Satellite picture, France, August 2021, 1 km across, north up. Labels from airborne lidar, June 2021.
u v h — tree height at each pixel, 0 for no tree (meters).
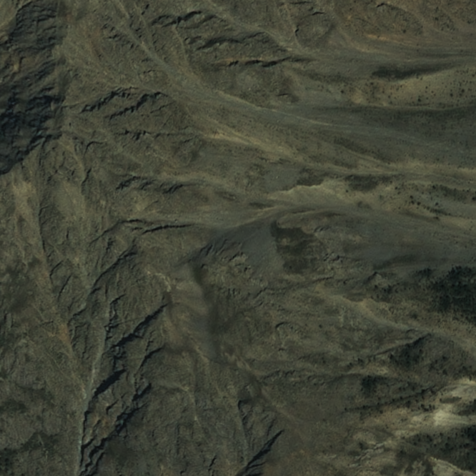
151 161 0
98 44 0
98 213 0
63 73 0
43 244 0
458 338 0
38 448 0
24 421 0
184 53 0
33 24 0
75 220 0
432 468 0
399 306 0
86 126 0
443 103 0
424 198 0
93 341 0
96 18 0
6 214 0
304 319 0
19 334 0
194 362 0
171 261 0
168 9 0
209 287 0
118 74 0
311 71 0
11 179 0
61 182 0
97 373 0
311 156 0
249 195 0
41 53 0
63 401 0
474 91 0
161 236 0
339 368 0
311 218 0
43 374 0
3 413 0
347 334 0
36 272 0
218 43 0
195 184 0
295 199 0
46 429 0
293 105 0
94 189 0
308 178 0
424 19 0
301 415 0
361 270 0
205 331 0
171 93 0
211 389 0
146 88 0
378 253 0
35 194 0
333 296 0
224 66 0
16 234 0
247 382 0
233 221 0
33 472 0
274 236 0
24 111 0
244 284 0
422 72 0
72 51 0
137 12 0
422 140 0
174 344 0
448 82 0
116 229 0
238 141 0
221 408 0
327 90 0
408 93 0
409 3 0
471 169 0
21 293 0
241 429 0
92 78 0
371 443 0
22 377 0
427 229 0
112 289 0
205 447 0
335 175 0
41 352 0
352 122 0
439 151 0
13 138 0
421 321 0
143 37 0
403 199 0
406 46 0
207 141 0
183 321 0
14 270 0
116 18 0
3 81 0
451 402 0
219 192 0
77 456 0
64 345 0
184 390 0
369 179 0
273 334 0
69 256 0
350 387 0
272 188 0
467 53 0
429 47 0
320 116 0
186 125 0
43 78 0
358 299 0
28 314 0
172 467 0
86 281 0
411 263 0
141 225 0
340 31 0
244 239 0
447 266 0
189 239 0
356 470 0
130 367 0
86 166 0
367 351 0
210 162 0
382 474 0
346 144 0
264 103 0
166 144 0
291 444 0
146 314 0
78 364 0
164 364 0
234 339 0
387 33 0
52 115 0
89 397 0
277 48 0
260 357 0
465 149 0
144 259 0
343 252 0
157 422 0
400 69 0
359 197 0
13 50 0
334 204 0
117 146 0
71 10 0
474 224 0
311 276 0
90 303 0
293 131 0
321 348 0
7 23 0
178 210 0
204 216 0
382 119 0
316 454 0
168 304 0
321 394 0
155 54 0
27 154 0
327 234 0
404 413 0
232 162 0
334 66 0
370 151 0
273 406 0
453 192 0
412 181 0
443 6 0
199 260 0
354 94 0
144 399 0
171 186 0
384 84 0
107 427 0
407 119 0
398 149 0
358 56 0
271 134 0
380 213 0
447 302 6
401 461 0
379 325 0
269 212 0
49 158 0
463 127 0
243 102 0
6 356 0
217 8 0
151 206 0
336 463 0
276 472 0
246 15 0
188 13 0
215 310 0
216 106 0
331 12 0
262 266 0
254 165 0
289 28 0
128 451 0
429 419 0
